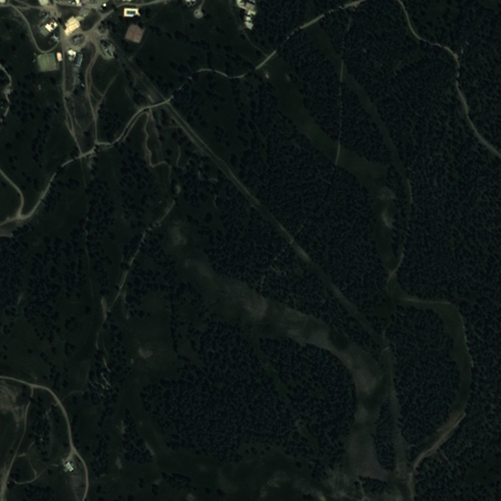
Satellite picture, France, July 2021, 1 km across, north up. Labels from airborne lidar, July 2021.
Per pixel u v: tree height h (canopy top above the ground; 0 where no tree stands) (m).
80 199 0
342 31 8
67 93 0
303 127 0
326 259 18
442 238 15
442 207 16
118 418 0
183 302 8
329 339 0
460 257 14
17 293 13
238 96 11
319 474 18
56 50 0
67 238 0
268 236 11
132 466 0
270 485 0
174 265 8
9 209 0
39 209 0
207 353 15
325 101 12
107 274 17
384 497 0
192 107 21
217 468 0
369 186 0
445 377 18
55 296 19
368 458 0
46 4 0
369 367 0
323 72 9
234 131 0
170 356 0
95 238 22
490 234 23
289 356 19
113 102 0
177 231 0
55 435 0
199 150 0
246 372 18
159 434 0
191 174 15
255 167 18
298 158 13
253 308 0
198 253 0
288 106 0
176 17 0
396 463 12
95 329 0
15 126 0
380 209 0
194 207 13
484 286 6
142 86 0
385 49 18
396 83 20
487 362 18
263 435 14
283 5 10
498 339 16
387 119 21
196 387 20
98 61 0
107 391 17
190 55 0
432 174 17
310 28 0
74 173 0
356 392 20
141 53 0
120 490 0
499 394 16
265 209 0
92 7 0
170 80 0
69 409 0
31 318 16
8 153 0
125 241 0
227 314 0
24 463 0
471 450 14
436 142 22
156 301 0
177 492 0
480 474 0
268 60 0
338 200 14
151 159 0
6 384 0
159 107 0
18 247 21
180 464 0
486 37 20
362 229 19
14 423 0
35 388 0
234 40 0
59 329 14
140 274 8
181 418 6
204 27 0
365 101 0
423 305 0
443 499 24
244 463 0
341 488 0
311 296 13
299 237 11
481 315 24
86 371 0
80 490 0
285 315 0
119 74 0
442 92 22
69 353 21
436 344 7
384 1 21
